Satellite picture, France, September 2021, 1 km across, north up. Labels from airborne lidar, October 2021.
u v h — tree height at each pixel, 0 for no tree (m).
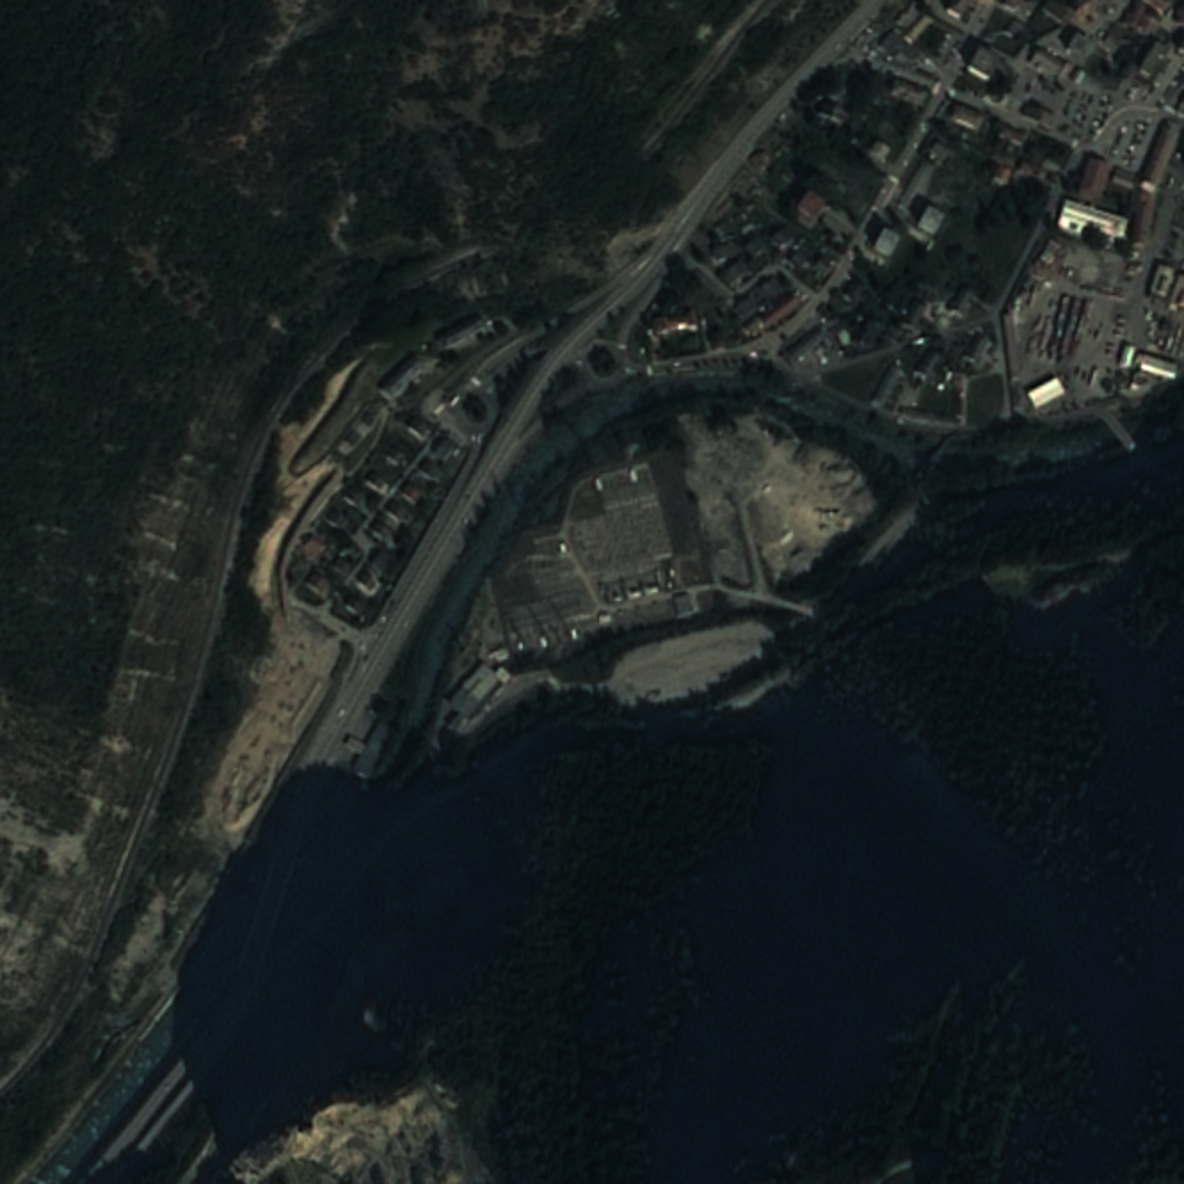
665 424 10
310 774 0
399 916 9
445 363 10
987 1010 25
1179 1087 32
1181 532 14
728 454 0
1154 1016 23
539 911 11
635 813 25
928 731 12
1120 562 0
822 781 18
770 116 0
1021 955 19
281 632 0
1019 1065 13
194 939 0
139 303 9
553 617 0
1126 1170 18
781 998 22
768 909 19
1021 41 6
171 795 11
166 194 10
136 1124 0
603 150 12
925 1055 19
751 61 8
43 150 13
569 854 15
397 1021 6
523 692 0
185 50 18
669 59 12
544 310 14
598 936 28
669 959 23
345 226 9
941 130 11
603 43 6
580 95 13
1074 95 0
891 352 0
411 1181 0
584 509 0
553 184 9
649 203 7
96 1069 9
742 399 11
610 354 8
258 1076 0
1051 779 14
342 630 0
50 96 21
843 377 0
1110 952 23
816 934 7
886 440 0
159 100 9
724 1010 20
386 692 0
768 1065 17
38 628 6
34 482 7
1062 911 11
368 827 16
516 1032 20
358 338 15
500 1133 25
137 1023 6
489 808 12
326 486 0
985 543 18
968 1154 15
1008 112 0
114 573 8
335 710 0
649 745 10
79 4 12
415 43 9
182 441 10
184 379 8
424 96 7
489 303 13
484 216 11
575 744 18
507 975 18
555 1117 25
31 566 9
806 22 8
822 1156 22
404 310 22
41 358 9
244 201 12
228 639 8
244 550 12
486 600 0
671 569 0
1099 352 0
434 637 0
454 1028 10
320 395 9
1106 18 0
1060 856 9
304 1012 0
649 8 6
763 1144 11
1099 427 8
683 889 21
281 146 8
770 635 0
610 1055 26
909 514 0
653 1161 14
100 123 11
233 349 5
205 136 12
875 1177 25
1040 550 18
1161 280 0
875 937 15
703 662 0
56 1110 7
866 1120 29
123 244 9
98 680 11
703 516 0
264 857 0
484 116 6
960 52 0
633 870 27
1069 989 18
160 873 8
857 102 15
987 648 21
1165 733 17
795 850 17
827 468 0
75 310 10
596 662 6
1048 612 0
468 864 15
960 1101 13
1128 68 8
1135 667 12
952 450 9
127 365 8
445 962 8
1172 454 18
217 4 12
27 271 12
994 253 0
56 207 10
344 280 17
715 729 9
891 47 0
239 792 0
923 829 16
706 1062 26
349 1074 10
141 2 11
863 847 22
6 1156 10
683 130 12
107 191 10
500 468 0
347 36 15
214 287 7
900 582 8
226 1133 0
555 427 15
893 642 15
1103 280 0
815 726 14
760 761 20
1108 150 0
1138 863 18
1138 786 15
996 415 0
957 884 22
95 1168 0
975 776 15
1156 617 12
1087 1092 11
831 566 14
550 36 10
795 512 0
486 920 14
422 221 10
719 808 17
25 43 23
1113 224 0
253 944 0
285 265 9
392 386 0
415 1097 0
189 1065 0
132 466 13
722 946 19
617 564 0
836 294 6
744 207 9
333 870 0
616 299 0
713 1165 11
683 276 13
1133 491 19
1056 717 18
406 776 12
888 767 16
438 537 0
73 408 11
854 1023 22
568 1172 31
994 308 0
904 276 0
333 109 10
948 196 0
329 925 0
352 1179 0
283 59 7
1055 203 0
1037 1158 20
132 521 7
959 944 22
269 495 12
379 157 7
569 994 25
